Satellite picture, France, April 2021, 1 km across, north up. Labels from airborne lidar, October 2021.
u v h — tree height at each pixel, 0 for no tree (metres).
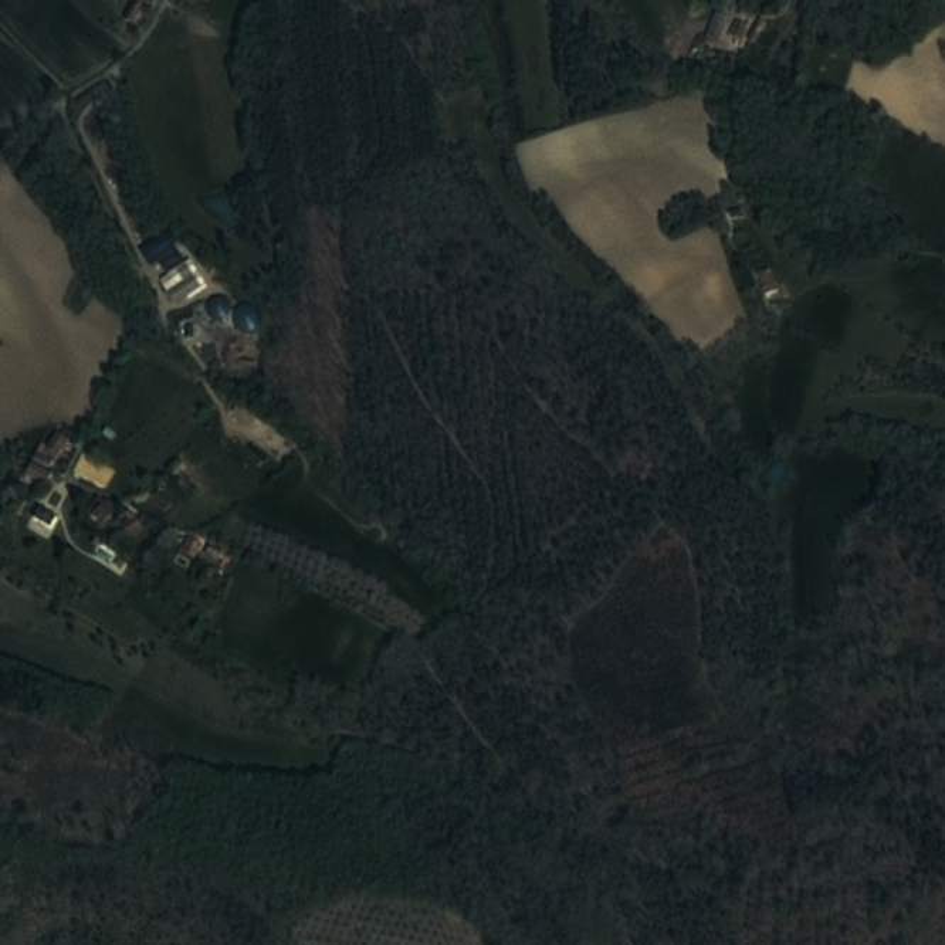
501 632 14
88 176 24
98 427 13
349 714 7
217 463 0
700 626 8
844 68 0
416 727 7
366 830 18
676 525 18
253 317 0
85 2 0
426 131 14
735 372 13
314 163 16
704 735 8
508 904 21
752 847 6
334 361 26
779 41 0
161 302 0
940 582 16
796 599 0
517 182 14
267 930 21
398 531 15
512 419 12
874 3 27
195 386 0
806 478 0
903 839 6
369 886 18
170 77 0
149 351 27
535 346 12
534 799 14
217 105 0
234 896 16
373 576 11
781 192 26
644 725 16
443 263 11
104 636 13
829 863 6
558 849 11
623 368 19
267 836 18
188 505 0
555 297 12
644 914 15
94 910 6
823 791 27
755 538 14
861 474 0
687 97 21
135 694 0
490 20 0
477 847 18
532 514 11
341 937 7
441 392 20
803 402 0
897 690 16
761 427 0
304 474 0
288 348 25
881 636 17
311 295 23
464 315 15
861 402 0
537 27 0
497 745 15
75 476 0
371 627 0
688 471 18
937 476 19
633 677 6
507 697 16
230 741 0
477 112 0
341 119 19
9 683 21
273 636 0
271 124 19
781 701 15
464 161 18
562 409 15
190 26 0
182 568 0
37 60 0
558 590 20
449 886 14
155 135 0
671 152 0
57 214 22
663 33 0
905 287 0
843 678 15
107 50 0
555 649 10
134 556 7
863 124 25
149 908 11
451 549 16
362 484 17
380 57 16
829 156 23
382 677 15
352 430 21
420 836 16
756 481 12
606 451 17
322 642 0
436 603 0
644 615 5
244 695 17
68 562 29
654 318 8
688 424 21
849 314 0
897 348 0
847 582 9
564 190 0
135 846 15
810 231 14
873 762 16
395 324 16
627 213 0
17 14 0
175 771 20
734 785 7
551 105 0
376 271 10
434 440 13
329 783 20
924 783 13
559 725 18
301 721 17
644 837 15
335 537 0
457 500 13
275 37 21
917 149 0
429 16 15
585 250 17
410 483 15
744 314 0
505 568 14
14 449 13
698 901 14
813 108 22
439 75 16
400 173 17
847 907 10
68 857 18
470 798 15
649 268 0
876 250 20
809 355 0
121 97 19
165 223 19
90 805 0
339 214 19
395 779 19
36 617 0
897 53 28
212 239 0
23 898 13
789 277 0
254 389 7
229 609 0
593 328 23
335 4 18
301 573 7
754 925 15
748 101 23
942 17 23
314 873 16
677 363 29
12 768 0
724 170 0
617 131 0
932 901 12
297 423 27
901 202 0
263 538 8
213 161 0
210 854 16
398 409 20
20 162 22
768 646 25
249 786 20
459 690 18
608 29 9
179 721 0
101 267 19
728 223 8
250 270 0
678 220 20
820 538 0
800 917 14
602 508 13
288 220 18
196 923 11
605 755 15
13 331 0
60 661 0
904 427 16
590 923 22
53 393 0
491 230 12
